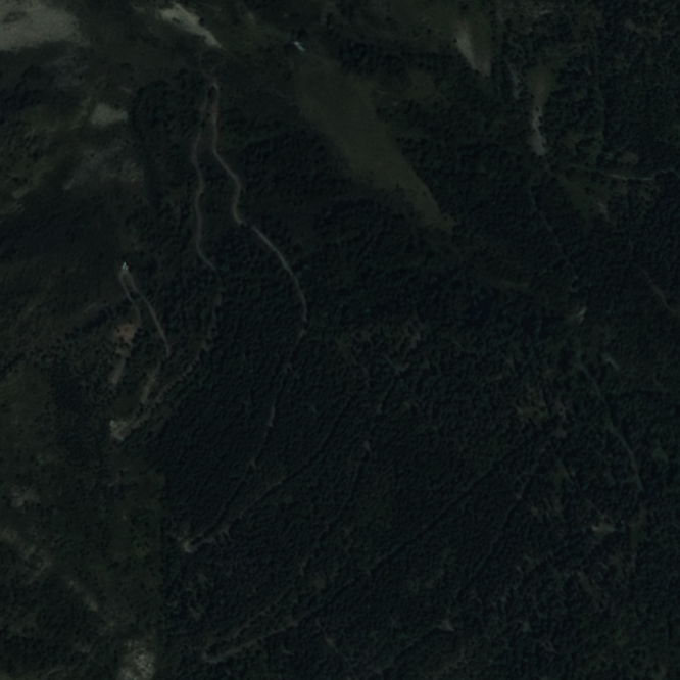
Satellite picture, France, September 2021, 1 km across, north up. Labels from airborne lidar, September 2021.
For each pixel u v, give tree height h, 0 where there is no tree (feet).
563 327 56
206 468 55
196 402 55
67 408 23
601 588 61
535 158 39
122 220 0
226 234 18
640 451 79
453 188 66
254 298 38
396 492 50
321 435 72
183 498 73
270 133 39
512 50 47
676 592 92
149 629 42
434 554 55
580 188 0
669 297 39
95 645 35
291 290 39
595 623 61
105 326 31
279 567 62
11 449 0
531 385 71
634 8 58
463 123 40
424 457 77
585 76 53
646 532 50
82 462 20
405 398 87
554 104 27
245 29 0
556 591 93
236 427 68
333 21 48
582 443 71
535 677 47
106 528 21
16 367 33
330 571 65
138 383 23
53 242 17
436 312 46
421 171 27
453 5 0
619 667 68
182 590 70
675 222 76
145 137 38
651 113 64
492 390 65
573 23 24
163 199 40
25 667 31
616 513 84
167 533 31
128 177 0
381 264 57
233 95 21
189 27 0
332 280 66
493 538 63
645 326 56
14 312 33
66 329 0
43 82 0
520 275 41
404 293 43
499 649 83
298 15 26
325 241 23
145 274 22
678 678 82
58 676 27
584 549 86
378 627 51
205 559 73
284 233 21
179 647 30
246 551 62
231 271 30
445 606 48
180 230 24
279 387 58
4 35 0
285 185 50
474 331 62
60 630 38
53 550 29
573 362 128
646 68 70
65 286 24
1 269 0
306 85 0
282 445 68
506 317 35
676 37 32
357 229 34
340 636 41
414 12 0
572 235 52
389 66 50
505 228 60
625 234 36
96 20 0
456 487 82
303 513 54
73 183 0
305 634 69
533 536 61
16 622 35
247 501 53
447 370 62
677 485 78
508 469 45
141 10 0
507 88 51
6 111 0
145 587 39
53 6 0
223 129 28
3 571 26
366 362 44
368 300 41
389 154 0
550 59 38
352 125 0
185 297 41
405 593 30
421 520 58
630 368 49
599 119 23
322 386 59
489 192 59
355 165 0
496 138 40
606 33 38
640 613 56
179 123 24
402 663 60
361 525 34
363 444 54
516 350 80
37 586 37
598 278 46
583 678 54
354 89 0
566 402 68
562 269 61
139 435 53
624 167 28
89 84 0
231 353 50
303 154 42
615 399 42
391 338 50
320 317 44
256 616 46
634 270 40
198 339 19
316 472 52
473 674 56
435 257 53
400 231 48
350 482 45
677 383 39
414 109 40
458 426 99
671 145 26
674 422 58
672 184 75
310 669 61
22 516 21
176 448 54
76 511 30
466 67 23
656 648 59
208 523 60
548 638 109
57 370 28
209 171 31
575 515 94
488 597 81
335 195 32
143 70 0
